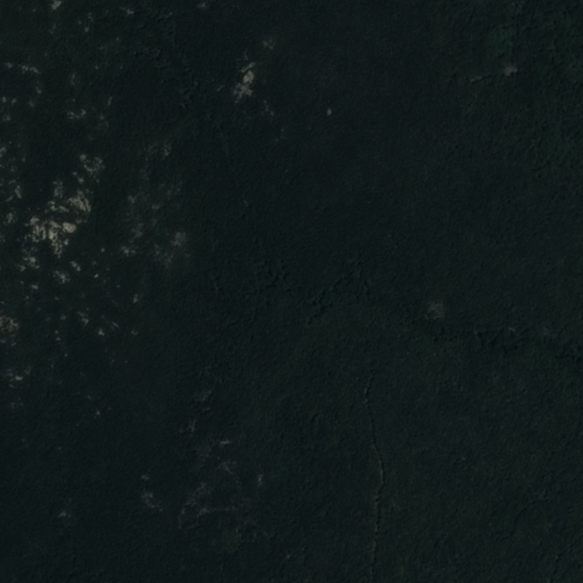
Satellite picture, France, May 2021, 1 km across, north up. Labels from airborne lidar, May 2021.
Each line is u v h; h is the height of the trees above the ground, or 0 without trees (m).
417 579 11
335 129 12
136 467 10
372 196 12
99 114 8
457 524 13
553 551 12
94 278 6
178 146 12
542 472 9
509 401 6
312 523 11
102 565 12
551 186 18
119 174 9
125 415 7
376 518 14
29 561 13
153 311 12
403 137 13
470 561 10
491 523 11
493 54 17
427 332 17
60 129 8
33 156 13
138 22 16
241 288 16
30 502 13
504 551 13
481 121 12
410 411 13
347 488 15
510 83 12
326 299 24
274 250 12
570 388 13
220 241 14
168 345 9
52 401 12
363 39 15
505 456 7
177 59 15
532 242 14
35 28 6
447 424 10
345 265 12
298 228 12
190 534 6
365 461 15
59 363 6
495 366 14
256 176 5
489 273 15
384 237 13
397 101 14
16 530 11
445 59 15
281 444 13
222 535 10
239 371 12
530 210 16
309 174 12
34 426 13
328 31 15
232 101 7
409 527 14
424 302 7
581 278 13
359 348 12
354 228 16
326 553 13
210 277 15
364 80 14
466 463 8
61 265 6
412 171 10
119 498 14
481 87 14
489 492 14
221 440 8
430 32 14
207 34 8
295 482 11
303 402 17
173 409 7
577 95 15
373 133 13
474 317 14
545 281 12
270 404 10
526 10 18
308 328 7
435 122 17
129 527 10
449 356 8
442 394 9
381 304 20
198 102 18
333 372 15
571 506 14
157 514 8
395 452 13
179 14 12
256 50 7
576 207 16
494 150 15
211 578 8
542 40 19
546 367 14
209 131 18
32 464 10
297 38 13
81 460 8
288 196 11
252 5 8
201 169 16
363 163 13
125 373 8
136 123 13
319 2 12
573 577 13
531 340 21
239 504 7
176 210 8
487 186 16
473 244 10
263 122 6
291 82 11
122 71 10
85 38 11
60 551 17
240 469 6
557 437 12
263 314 13
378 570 15
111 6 11
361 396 13
